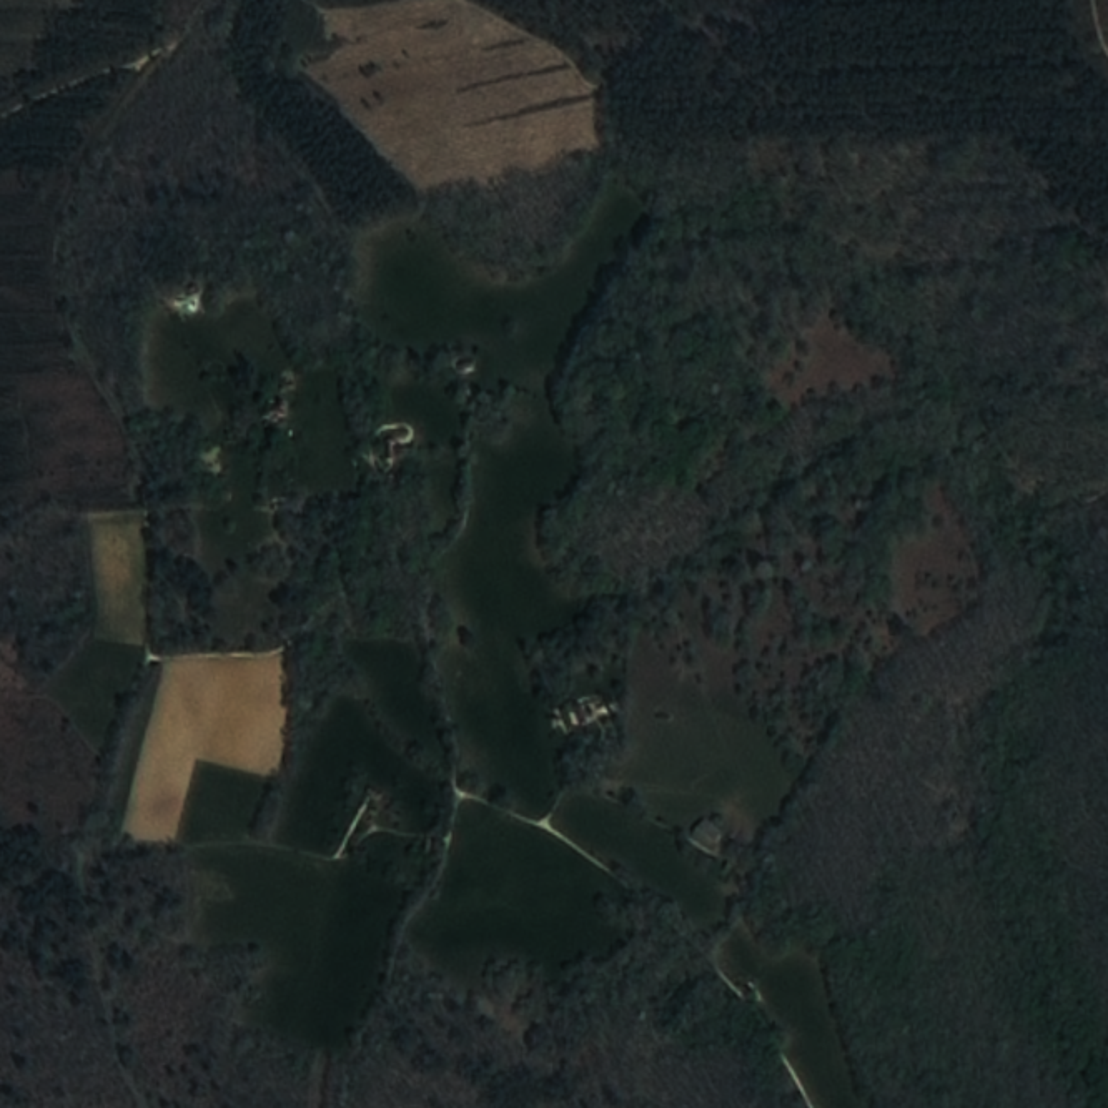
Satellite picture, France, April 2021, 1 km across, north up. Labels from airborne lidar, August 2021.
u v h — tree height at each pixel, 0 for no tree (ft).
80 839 37
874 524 49
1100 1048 74
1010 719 80
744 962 0
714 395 65
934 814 58
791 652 20
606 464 80
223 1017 48
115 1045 40
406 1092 52
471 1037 55
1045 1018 73
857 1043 67
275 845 0
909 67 89
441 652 37
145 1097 19
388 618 67
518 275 88
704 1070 58
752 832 0
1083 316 76
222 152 20
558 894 0
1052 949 80
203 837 0
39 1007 43
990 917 68
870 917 76
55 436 0
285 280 53
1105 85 56
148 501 65
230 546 0
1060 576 27
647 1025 74
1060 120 71
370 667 0
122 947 28
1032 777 62
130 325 68
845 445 42
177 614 62
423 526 72
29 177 25
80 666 0
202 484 54
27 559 32
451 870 0
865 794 87
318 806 0
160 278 67
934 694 71
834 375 0
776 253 99
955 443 84
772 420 57
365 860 30
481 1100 40
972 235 66
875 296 88
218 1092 49
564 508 63
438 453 46
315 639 49
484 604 0
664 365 87
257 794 0
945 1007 57
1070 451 36
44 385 0
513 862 0
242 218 26
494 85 0
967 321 53
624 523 42
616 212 0
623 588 46
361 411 61
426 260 0
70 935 24
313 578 33
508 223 56
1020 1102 62
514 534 0
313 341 61
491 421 72
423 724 0
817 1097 0
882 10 84
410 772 0
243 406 33
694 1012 64
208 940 0
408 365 31
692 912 0
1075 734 47
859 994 67
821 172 59
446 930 0
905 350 72
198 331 0
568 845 0
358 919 0
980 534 66
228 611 0
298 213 62
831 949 55
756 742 0
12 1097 53
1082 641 67
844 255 81
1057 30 70
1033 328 48
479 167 0
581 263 0
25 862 52
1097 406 53
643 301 86
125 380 49
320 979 0
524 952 0
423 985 46
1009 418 37
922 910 52
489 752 0
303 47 52
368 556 46
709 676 0
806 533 56
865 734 70
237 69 68
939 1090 50
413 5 0
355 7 24
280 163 32
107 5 24
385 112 0
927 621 0
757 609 51
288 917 0
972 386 62
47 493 0
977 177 52
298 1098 37
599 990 47
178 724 0
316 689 37
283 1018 0
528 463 0
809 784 55
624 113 90
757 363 58
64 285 38
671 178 71
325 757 0
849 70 81
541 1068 50
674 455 69
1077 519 49
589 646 52
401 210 49
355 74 29
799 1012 0
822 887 67
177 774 0
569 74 0
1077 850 53
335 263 46
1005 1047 92
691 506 52
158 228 54
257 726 0
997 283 64
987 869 78
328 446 0
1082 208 76
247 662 0
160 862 22
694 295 90
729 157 47
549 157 0
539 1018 0
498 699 0
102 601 0
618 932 0
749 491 68
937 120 69
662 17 52
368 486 31
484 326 0
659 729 0
